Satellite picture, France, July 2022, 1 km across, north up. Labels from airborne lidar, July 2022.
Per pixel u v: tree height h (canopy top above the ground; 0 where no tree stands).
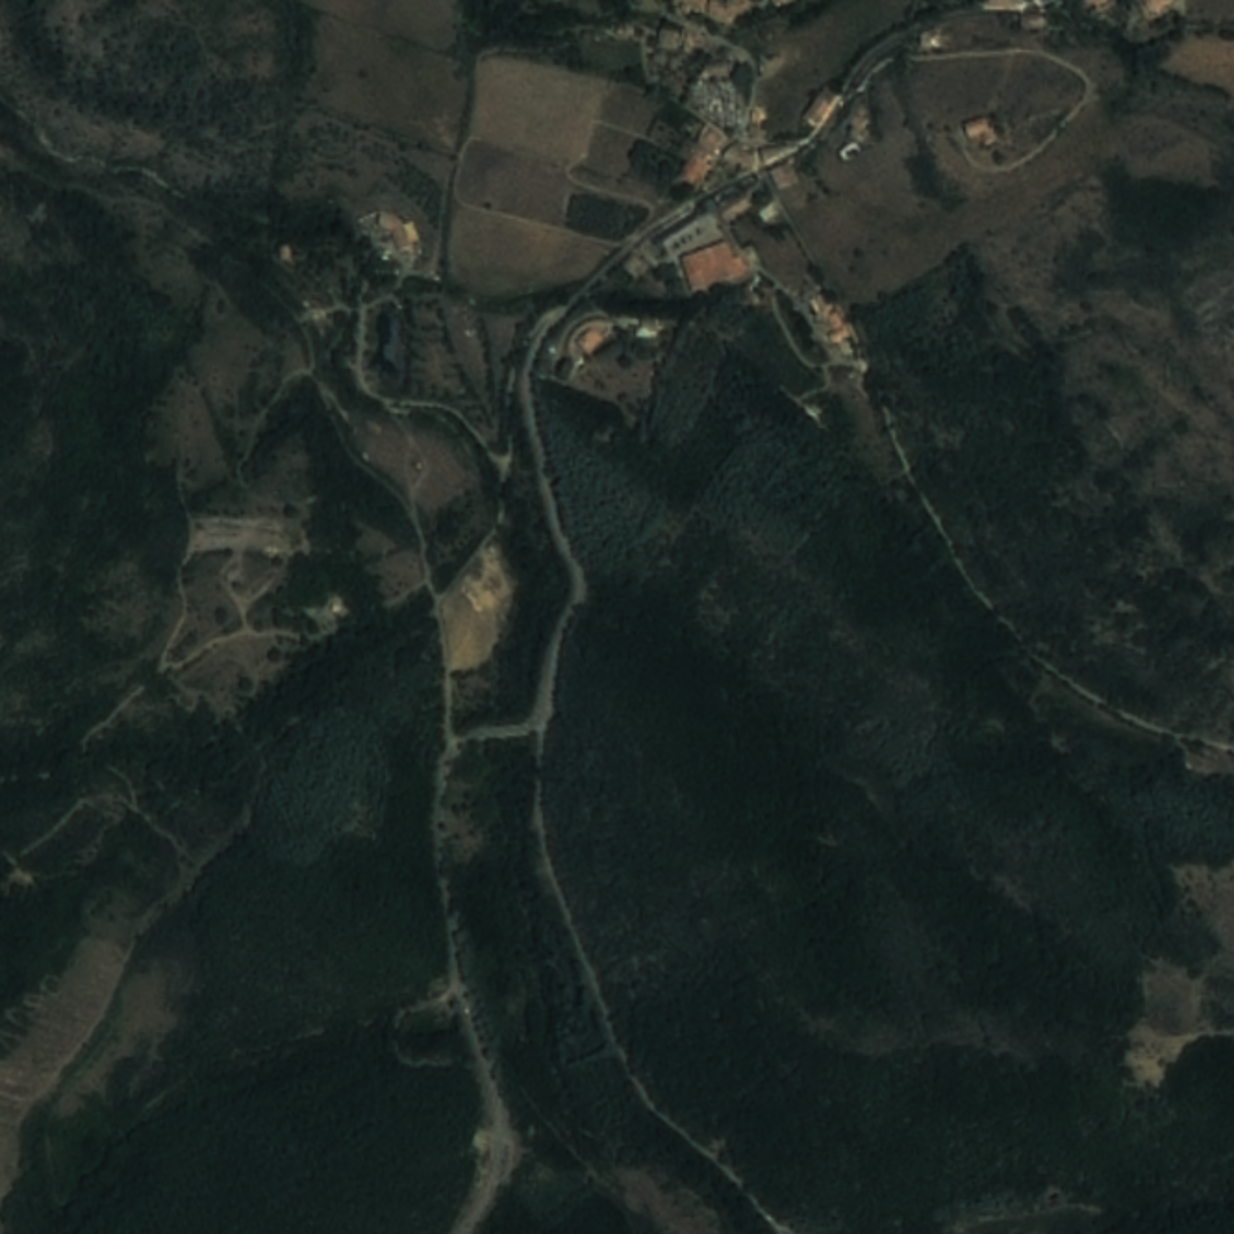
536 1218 10
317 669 14
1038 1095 13
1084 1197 14
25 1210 11
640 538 11
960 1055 8
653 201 0
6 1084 0
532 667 7
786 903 8
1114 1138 8
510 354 8
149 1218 11
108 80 10
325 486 11
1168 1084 7
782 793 16
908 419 6
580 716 7
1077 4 15
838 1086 7
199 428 0
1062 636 8
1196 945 0
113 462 10
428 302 7
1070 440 6
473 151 0
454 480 0
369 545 0
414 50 0
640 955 7
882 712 8
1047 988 10
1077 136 0
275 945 7
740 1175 13
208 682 0
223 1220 11
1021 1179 9
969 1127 8
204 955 6
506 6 15
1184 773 7
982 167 0
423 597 8
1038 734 10
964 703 6
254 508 0
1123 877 7
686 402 6
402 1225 8
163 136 9
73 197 7
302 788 8
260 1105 9
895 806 6
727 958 7
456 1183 7
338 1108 11
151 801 12
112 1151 16
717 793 12
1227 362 0
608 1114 8
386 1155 11
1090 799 11
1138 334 0
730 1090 10
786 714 9
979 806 8
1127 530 8
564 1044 7
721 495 7
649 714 8
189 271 0
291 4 14
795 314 10
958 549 9
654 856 9
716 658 6
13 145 6
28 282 7
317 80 0
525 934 6
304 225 7
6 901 8
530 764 8
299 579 11
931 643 7
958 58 0
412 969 10
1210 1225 20
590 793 6
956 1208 17
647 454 12
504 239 0
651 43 8
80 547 6
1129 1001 8
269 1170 9
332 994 6
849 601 7
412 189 6
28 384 7
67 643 7
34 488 7
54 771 13
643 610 12
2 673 6
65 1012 0
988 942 11
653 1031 11
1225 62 0
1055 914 6
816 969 12
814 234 0
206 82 7
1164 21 8
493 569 0
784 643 6
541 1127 7
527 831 7
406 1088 9
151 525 10
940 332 6
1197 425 0
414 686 8
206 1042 10
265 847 9
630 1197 0
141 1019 0
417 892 12
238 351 0
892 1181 9
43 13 10
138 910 0
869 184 0
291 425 8
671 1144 12
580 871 6
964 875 9
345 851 12
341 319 11
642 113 0
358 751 8
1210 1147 9
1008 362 7
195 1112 10
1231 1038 7
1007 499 7
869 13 0
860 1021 6
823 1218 8
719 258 0
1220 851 13
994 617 8
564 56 7
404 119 0
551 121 0
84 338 7
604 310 8
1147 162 0
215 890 13
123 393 9
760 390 12
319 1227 8
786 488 10
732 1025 10
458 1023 13
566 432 9
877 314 10
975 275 6
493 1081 9
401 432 0
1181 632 12
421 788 14
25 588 7
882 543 8
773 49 0
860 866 10
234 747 11
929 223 0
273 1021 8
